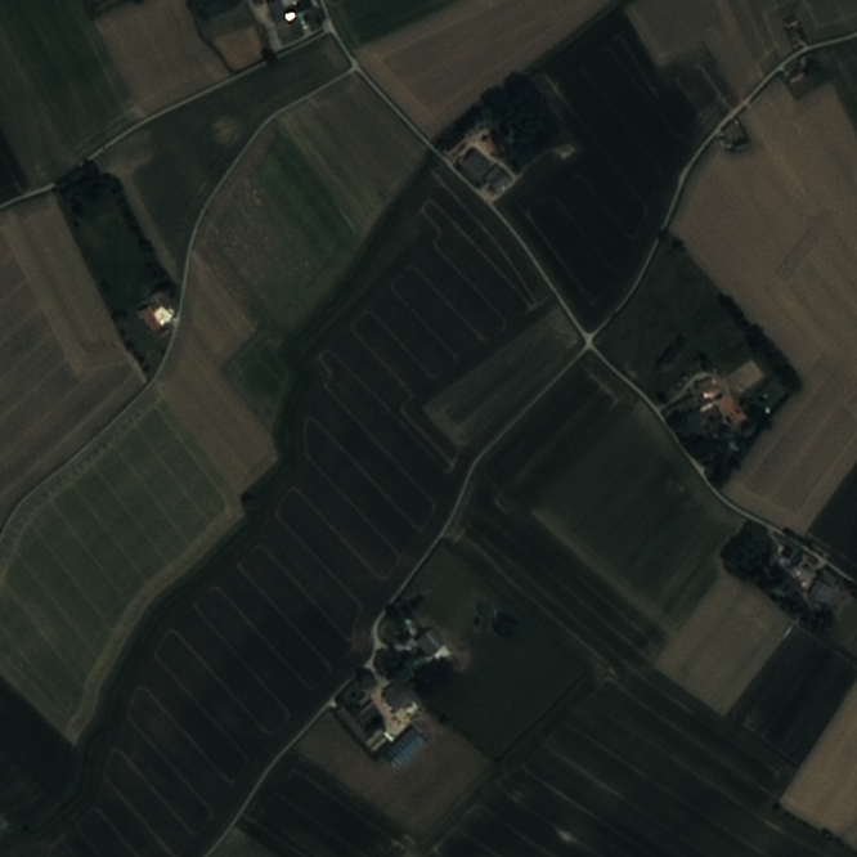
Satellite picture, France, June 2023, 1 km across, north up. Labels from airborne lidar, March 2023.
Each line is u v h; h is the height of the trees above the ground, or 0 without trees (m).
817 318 0
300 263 0
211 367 0
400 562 0
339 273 0
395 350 0
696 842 0
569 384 0
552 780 0
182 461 0
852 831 0
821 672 0
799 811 0
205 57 0
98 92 0
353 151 0
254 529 0
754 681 0
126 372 0
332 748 0
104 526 0
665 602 0
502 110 26
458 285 0
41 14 0
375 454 0
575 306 0
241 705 0
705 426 0
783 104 0
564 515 0
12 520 0
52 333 0
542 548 0
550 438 0
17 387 0
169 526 0
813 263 0
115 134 0
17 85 0
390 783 0
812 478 0
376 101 0
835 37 0
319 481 0
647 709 0
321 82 0
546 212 0
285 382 0
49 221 0
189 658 0
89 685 0
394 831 0
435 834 0
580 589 0
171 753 0
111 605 0
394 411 0
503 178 0
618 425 0
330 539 0
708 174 0
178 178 0
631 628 0
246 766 0
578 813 0
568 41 0
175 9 0
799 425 0
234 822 0
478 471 0
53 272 0
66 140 0
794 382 17
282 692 0
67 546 0
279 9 0
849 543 0
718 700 0
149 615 0
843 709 0
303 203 0
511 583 0
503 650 0
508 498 0
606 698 0
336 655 0
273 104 0
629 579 0
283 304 0
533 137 26
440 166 0
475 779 0
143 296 0
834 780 0
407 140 0
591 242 0
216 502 0
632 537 0
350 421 0
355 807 0
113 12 0
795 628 0
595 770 0
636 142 0
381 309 0
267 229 0
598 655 0
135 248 0
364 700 0
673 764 0
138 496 0
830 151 0
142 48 0
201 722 0
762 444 0
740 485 0
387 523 0
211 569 0
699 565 0
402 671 18
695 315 0
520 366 0
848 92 0
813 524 0
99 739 0
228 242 0
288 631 0
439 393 0
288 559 0
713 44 0
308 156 0
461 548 0
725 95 0
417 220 0
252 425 0
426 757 0
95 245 0
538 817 0
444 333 0
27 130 0
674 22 0
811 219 0
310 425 0
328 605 0
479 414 0
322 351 0
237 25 0
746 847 0
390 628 0
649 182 0
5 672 0
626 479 0
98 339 0
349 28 0
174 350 0
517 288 0
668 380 0
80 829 0
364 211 0
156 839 0
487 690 0
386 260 0
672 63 0
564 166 0
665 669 0
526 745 0
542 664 0
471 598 0
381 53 0
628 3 0
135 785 0
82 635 0
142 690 0
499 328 0
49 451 0
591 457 0
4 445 0
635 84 0
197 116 0
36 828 0
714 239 0
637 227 0
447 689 0
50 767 0
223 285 0
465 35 0
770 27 0
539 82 0
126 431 0
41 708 0
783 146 0
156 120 0
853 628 0
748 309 0
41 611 0
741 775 0
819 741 0
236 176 0
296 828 0
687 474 0
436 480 0
